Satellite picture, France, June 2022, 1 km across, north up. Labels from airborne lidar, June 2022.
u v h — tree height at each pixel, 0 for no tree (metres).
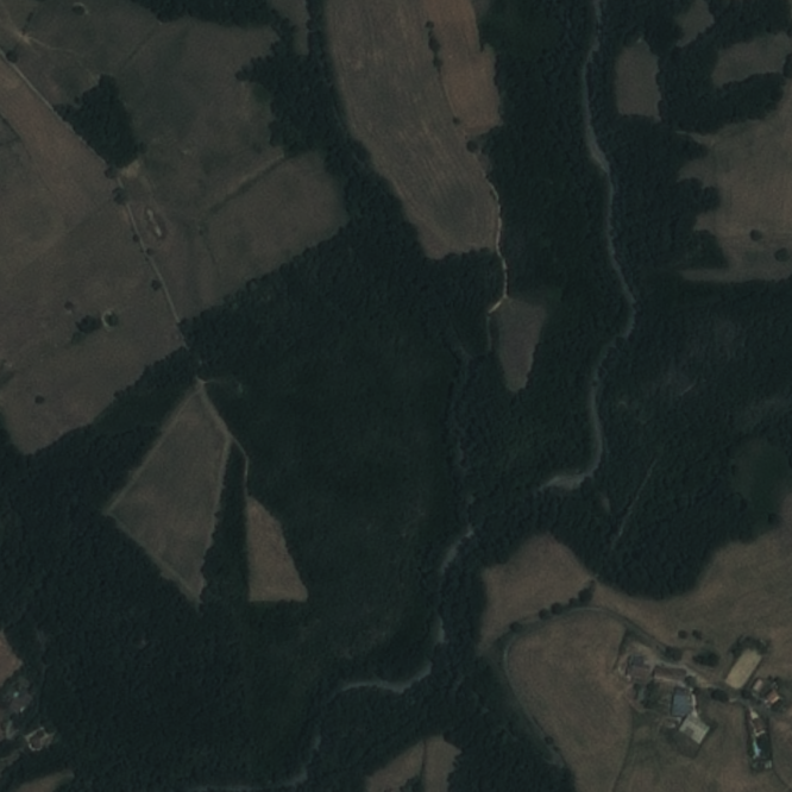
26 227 0
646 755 0
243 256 0
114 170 10
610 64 14
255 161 0
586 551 13
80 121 12
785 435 17
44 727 17
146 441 16
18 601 17
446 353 8
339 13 0
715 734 0
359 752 17
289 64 11
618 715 0
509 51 7
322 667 11
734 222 0
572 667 0
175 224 0
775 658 0
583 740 0
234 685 21
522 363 0
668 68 17
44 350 0
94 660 19
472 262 15
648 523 24
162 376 14
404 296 18
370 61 0
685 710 0
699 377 6
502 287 8
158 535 0
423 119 0
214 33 0
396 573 9
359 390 7
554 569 0
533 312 0
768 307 9
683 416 15
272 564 0
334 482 9
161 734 17
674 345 9
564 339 15
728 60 0
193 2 17
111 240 0
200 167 0
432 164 0
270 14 16
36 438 0
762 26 19
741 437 9
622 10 9
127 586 18
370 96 0
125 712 23
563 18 17
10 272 0
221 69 0
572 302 8
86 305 0
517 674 0
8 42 0
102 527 21
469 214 0
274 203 0
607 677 0
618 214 14
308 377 6
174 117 0
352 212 14
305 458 7
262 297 12
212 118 0
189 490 0
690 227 14
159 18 10
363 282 17
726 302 8
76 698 22
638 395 7
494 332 6
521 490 17
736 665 0
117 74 0
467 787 14
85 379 0
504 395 17
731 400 16
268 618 7
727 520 18
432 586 18
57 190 0
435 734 17
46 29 0
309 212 0
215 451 0
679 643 0
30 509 25
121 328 0
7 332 0
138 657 14
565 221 18
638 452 7
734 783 0
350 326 18
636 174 21
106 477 18
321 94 16
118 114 17
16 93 0
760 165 0
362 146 11
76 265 0
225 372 8
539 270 12
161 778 9
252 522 0
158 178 0
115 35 0
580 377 19
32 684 8
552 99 26
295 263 9
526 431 14
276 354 10
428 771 0
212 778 24
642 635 0
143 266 0
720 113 25
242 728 17
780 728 0
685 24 0
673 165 16
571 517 20
